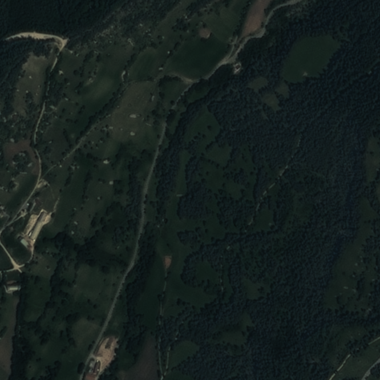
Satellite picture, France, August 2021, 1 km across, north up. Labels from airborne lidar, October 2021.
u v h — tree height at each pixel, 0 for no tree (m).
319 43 0
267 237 23
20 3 10
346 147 12
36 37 0
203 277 0
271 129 15
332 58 0
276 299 14
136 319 13
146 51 0
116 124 0
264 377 17
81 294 0
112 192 0
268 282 9
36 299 0
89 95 0
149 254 11
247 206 11
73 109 0
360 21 15
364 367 0
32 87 0
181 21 9
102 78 0
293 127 19
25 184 0
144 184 0
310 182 8
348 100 18
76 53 7
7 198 0
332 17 20
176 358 0
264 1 0
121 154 7
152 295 0
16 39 0
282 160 15
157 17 9
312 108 18
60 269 12
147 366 0
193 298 0
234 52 0
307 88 22
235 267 19
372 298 13
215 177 0
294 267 6
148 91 0
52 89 11
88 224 0
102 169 0
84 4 27
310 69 0
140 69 0
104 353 0
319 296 13
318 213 12
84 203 6
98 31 11
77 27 15
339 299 13
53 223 0
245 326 0
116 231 13
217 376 17
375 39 22
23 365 21
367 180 7
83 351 0
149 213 0
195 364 10
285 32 18
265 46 9
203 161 10
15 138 8
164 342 13
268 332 16
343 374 0
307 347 21
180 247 0
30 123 8
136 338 8
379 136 16
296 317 14
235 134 19
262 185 15
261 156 19
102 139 8
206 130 0
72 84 0
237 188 0
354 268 0
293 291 16
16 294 12
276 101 0
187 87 0
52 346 0
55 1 10
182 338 12
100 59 9
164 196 12
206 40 9
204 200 19
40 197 0
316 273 16
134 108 0
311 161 17
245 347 10
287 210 9
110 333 0
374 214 0
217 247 18
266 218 0
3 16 18
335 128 15
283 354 14
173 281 0
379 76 22
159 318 8
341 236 9
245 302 7
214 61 0
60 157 0
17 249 0
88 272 0
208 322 18
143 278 19
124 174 0
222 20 0
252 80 10
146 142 0
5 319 0
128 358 0
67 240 22
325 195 10
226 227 12
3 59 13
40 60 0
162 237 0
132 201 6
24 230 0
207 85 18
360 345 7
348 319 16
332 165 13
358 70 23
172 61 0
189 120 19
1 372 0
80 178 0
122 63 0
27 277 7
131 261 0
